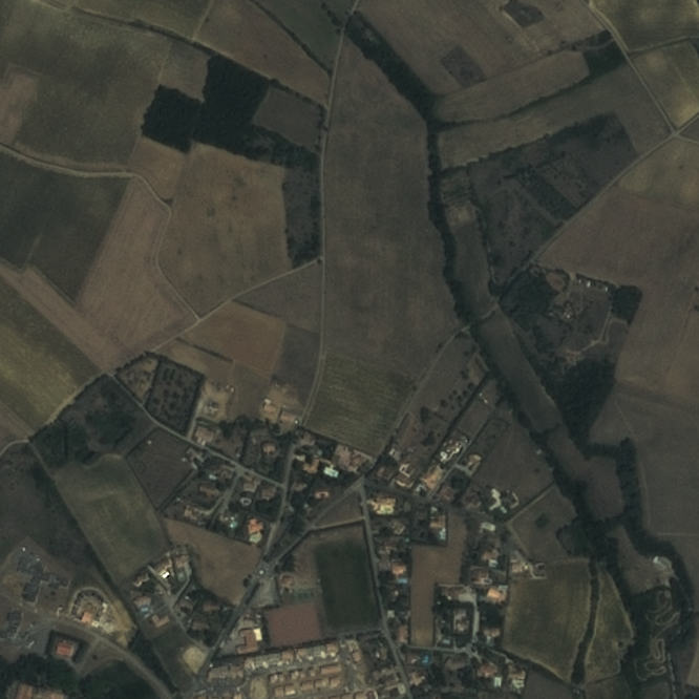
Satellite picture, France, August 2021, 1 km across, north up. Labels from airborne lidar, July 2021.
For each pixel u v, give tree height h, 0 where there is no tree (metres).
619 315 9
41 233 0
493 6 0
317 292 0
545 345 6
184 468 0
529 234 7
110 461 0
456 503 8
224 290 0
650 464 0
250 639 0
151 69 0
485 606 13
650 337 0
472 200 10
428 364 0
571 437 8
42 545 0
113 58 0
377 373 0
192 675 0
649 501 0
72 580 0
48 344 0
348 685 0
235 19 0
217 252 0
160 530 0
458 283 9
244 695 0
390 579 12
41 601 0
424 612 0
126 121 0
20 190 0
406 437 0
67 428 11
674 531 0
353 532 0
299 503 7
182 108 9
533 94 0
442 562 0
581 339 0
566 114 0
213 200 0
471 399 7
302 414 0
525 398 0
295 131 0
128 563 0
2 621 0
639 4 0
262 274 0
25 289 0
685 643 8
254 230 0
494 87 0
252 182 0
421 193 0
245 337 0
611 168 0
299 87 0
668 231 0
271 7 0
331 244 0
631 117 0
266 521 0
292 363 0
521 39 0
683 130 0
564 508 0
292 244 8
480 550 7
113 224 0
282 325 0
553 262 0
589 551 12
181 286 0
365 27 9
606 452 7
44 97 0
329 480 10
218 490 9
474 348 6
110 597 0
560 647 0
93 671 0
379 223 0
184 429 6
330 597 0
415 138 0
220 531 8
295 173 0
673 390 0
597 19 0
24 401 0
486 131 0
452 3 0
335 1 0
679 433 0
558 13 0
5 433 0
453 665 0
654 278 0
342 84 0
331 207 0
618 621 0
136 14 0
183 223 0
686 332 0
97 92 0
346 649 0
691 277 0
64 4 0
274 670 0
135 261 0
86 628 0
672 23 0
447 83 0
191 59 0
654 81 0
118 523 0
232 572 0
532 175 9
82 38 0
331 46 0
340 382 0
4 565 0
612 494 0
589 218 0
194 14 0
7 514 0
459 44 0
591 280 8
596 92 0
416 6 0
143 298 0
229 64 13
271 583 0
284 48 0
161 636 0
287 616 0
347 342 0
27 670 17
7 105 0
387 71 10
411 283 0
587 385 9
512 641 0
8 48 0
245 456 10
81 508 0
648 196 0
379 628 0
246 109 10
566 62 0
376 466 9
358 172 0
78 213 0
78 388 0
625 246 0
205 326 0
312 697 0
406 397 0
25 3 0
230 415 0
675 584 10
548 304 9
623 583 10
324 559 0
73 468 0
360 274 0
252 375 0
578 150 0
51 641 11
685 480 0
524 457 0
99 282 0
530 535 0
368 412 0
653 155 0
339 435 0
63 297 0
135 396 11
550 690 0
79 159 0
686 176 0
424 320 0
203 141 8
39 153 0
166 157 0
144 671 0
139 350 0
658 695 0
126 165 0
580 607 0
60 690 16
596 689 0
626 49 0
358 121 0
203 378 8
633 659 11
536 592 0
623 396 0
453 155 0
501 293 10
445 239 12
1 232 0
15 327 0
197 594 11
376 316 0
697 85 0
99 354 0
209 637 9
